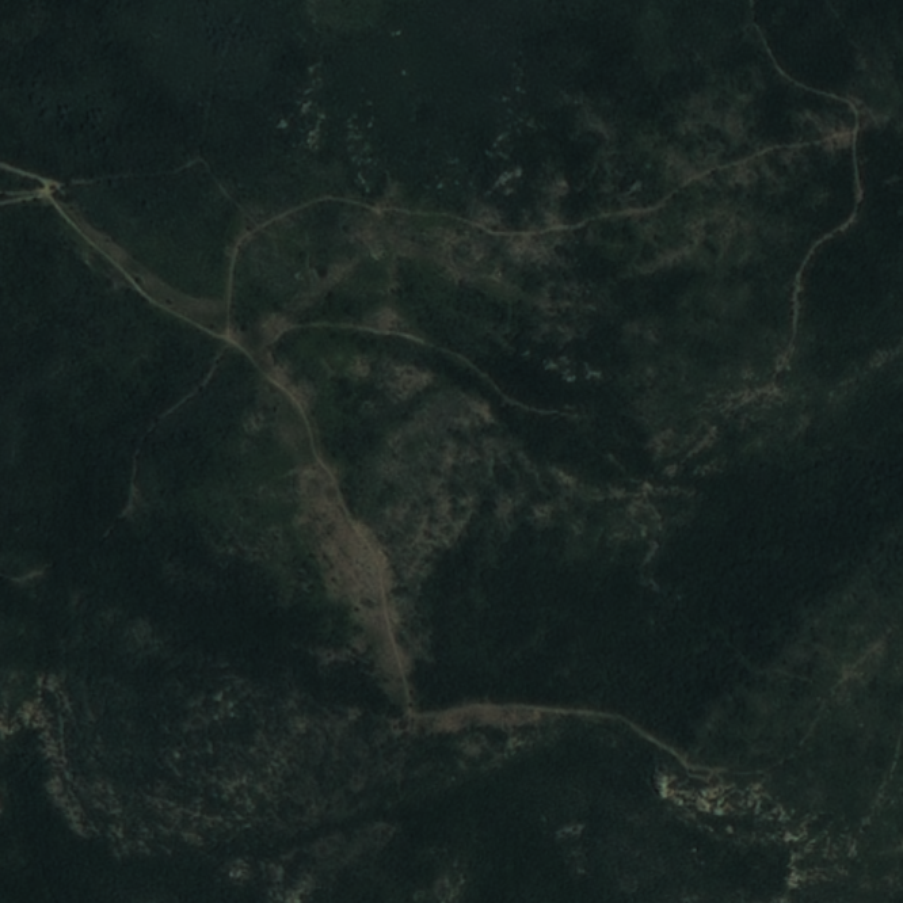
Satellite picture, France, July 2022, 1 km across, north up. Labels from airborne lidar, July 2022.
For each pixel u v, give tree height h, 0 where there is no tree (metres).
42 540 8
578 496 0
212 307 0
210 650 7
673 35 8
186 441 7
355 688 7
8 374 8
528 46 7
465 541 6
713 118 0
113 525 6
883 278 8
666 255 0
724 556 8
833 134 0
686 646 5
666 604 6
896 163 7
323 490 0
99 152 6
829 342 10
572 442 7
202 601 5
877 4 7
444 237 0
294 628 6
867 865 0
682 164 0
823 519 7
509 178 6
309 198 0
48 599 7
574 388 7
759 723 0
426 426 0
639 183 7
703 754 5
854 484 8
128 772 5
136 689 5
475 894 12
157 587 6
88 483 7
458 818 10
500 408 6
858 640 0
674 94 6
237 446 0
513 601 8
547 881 9
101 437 6
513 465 7
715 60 6
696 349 6
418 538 0
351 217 0
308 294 0
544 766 9
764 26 6
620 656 6
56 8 7
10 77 8
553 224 0
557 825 8
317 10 0
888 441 10
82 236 0
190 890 8
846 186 6
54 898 9
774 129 6
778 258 6
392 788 5
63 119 13
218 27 7
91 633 7
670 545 7
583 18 6
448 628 6
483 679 6
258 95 6
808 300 6
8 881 10
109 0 8
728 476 11
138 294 6
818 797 0
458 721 0
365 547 0
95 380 8
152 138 6
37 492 9
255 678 5
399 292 6
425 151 6
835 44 5
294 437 0
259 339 0
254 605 6
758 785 0
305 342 0
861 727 0
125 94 7
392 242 0
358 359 0
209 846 7
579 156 6
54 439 7
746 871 7
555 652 6
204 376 5
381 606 0
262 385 0
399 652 0
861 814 0
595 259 5
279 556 0
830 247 7
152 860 7
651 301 7
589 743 5
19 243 7
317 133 7
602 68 8
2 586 6
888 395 8
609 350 7
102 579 8
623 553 7
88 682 6
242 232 0
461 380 8
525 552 6
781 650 6
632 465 8
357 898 6
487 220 0
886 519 8
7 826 7
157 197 7
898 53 6
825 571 6
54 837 7
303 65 6
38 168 6
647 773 7
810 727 0
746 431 6
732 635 8
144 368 6
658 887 7
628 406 6
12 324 7
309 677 6
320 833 6
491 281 0
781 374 7
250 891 6
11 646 6
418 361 7
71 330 6
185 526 6
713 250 6
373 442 6
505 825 10
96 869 6
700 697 8
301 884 0
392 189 0
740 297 0
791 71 6
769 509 6
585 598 9
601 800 6
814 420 6
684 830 6
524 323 6
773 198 6
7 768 8
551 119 6
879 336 9
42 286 7
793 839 6
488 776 7
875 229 6
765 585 8
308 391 0
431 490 0
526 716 0
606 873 6
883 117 0
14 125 6
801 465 6
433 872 6
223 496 0
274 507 0
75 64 7
